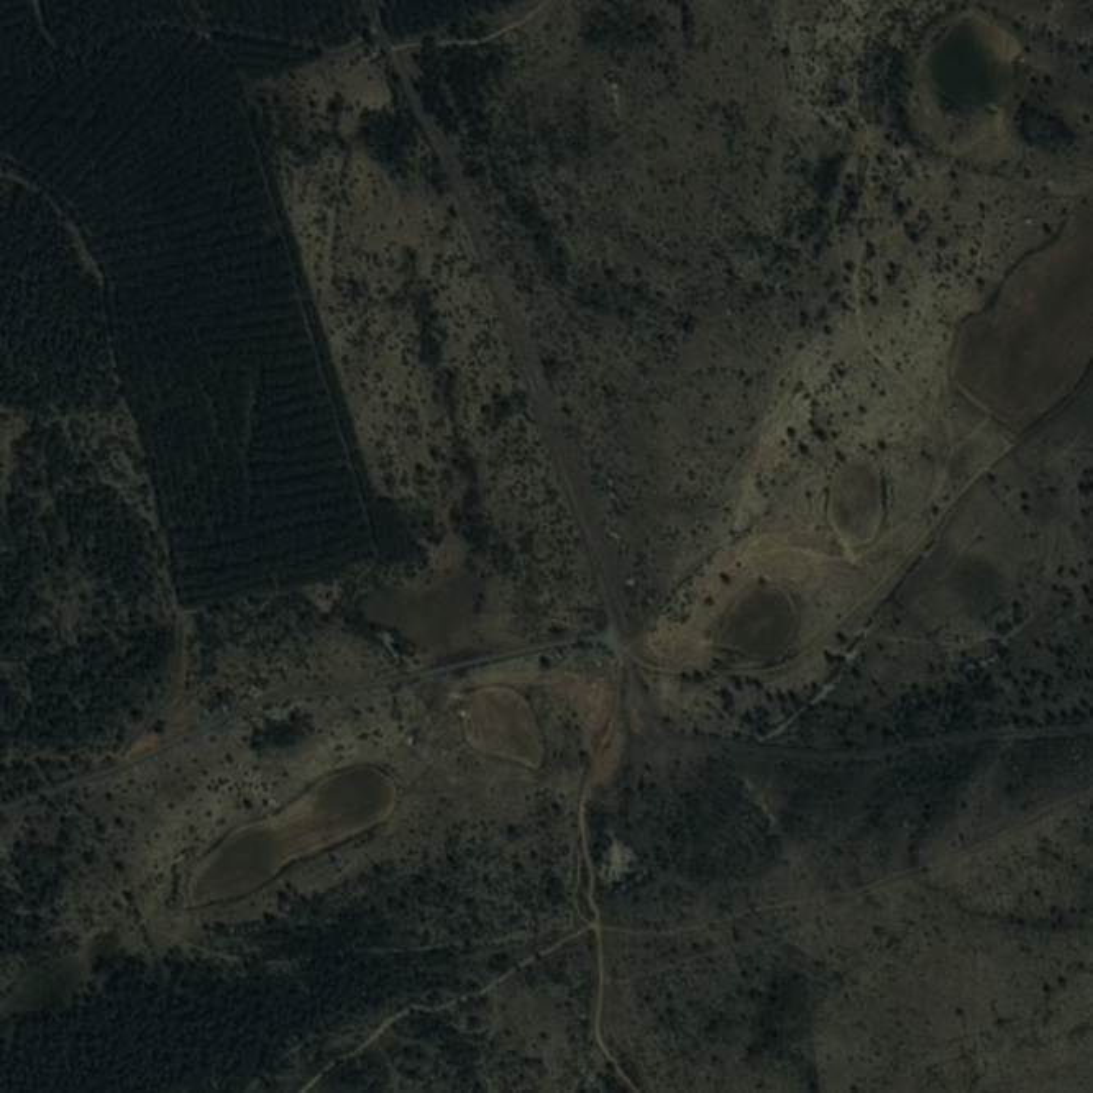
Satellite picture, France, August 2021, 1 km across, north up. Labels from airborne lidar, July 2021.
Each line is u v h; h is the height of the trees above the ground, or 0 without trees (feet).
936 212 0
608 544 0
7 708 31
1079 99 0
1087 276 0
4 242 41
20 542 25
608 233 0
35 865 24
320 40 38
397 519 41
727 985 0
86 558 32
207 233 44
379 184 0
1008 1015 0
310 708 0
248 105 44
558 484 0
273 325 44
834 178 19
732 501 0
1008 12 0
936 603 0
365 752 0
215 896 0
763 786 0
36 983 0
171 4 42
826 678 0
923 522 0
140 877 0
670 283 0
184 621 0
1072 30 0
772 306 0
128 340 33
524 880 0
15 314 41
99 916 0
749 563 0
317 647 0
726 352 0
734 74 0
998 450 0
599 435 0
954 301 0
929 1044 0
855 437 0
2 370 29
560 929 0
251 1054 30
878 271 0
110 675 24
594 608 0
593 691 0
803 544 0
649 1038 0
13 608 34
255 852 0
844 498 0
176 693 0
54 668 30
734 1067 0
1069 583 0
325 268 0
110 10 50
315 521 38
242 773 0
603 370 0
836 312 0
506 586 0
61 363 39
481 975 0
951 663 0
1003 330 0
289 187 0
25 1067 31
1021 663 0
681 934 0
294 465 44
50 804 33
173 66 49
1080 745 0
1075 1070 0
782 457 0
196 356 47
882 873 0
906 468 0
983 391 0
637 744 0
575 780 0
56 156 43
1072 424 0
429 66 22
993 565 0
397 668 0
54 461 26
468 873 0
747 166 0
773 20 0
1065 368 0
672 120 0
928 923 0
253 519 45
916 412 0
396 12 50
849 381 0
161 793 0
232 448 35
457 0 47
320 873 0
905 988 0
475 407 0
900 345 0
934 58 0
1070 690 0
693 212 0
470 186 0
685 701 0
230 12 50
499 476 0
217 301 40
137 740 0
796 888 0
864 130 0
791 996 0
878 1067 0
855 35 0
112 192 40
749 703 0
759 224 0
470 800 0
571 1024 0
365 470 35
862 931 0
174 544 36
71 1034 31
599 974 0
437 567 0
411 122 26
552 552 0
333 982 23
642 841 0
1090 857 0
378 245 0
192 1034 23
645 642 0
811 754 0
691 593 0
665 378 0
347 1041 0
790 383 0
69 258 33
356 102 0
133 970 30
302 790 0
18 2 49
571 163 0
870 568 0
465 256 0
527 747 0
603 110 0
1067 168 0
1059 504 0
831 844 0
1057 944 0
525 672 0
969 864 0
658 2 0
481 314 0
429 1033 26
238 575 36
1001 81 0
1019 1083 0
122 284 38
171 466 38
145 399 37
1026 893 0
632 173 0
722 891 0
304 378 38
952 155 0
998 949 0
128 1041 50
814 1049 0
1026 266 0
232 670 0
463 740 0
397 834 0
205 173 44
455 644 0
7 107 51
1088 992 0
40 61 44
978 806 0
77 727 36
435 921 0
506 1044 0
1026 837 0
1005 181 0
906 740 24
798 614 0
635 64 0
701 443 0
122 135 41
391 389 0
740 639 0
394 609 0
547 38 0
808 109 0
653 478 0
